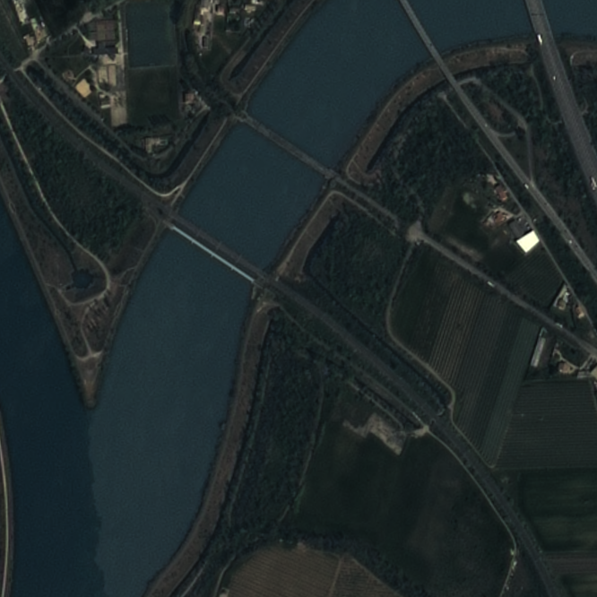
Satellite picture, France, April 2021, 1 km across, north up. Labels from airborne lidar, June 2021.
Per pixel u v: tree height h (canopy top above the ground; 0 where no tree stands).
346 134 0
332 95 0
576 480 0
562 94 0
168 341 0
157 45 0
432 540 0
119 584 0
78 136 6
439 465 0
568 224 6
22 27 0
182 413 0
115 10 10
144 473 0
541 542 0
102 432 0
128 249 0
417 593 15
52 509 0
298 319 11
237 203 0
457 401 0
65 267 0
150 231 0
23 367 0
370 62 0
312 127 0
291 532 14
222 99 7
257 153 0
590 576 0
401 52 0
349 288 23
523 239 0
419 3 0
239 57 0
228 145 0
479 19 0
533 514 0
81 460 0
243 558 8
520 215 0
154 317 0
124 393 0
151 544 0
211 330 0
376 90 0
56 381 0
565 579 0
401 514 0
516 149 0
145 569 0
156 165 15
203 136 0
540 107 16
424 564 0
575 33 0
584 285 8
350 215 18
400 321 0
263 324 0
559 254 8
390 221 13
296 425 11
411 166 10
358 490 0
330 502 0
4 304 0
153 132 7
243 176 0
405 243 13
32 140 11
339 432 0
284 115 0
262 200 0
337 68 0
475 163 15
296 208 0
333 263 16
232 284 0
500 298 13
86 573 0
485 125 0
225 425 11
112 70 0
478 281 17
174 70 0
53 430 0
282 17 0
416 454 0
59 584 0
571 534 0
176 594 8
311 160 0
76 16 0
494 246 0
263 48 0
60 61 0
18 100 7
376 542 0
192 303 0
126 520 0
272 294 0
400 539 0
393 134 11
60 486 0
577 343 12
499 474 0
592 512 0
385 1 0
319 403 11
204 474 0
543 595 13
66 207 7
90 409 0
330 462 0
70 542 0
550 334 9
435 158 13
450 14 0
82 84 0
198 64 14
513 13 0
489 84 15
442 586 7
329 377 10
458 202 0
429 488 0
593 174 0
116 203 19
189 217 0
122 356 0
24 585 0
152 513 0
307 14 6
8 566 0
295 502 18
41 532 0
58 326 0
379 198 14
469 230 0
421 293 0
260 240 0
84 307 0
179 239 0
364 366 10
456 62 7
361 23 0
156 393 0
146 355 0
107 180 9
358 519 0
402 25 0
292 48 0
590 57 0
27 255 0
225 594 0
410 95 7
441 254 7
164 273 0
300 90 0
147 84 0
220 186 0
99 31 0
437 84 0
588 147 0
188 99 0
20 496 0
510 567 0
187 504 0
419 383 7
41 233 8
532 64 14
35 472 0
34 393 0
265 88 0
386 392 0
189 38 10
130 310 0
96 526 0
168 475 0
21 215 7
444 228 0
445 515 0
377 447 0
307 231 0
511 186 12
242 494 9
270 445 9
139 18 0
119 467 0
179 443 0
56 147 15
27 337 0
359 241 10
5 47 6
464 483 0
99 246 9
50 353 0
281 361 15
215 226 0
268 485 17
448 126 16
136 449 0
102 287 0
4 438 0
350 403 0
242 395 6
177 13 11
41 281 0
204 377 0
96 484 0
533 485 0
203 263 0
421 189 17
